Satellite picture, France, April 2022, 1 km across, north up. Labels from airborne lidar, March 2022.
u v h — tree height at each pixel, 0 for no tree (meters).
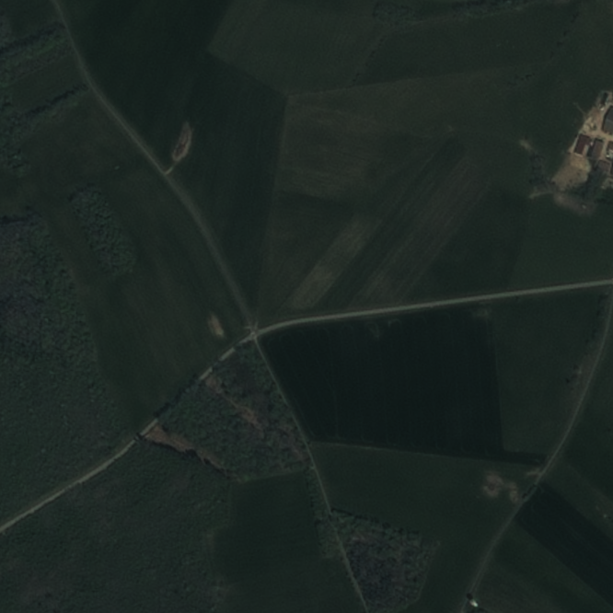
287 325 0
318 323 0
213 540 0
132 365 0
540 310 0
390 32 0
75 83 0
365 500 0
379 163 0
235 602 0
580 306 0
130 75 0
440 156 0
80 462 13
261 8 0
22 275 17
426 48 0
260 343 0
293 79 0
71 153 0
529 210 0
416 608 0
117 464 9
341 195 0
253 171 0
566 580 0
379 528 17
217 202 0
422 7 0
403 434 0
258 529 0
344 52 0
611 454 0
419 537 24
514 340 0
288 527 0
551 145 0
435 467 0
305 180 0
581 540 0
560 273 0
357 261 0
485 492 0
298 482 0
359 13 0
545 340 0
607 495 0
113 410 17
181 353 0
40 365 18
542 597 0
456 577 0
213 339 0
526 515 0
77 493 13
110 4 0
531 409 0
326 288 0
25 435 11
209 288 0
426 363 0
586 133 0
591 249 0
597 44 0
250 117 0
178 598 12
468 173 0
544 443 0
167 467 10
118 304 0
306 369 0
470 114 0
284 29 0
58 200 0
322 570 0
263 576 0
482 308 0
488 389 0
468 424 0
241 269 0
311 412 0
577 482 0
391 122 0
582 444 0
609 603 0
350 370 0
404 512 0
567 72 0
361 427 0
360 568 16
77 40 0
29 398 14
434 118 0
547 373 0
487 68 0
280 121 0
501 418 0
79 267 0
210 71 0
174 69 0
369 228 0
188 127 0
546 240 0
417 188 0
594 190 21
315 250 0
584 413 0
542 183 14
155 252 0
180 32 0
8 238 22
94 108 0
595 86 0
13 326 21
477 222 0
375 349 0
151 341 0
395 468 0
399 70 0
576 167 0
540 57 0
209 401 25
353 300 0
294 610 0
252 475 23
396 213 0
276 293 0
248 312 0
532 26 0
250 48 0
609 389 0
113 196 0
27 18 0
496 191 0
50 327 23
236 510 0
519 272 0
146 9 0
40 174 0
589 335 0
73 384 11
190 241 0
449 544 0
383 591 19
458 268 0
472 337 0
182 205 0
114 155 0
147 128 0
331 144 0
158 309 0
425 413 0
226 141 0
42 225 16
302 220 0
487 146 0
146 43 0
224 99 0
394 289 0
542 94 0
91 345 16
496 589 0
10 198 0
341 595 0
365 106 0
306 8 0
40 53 15
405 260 0
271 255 0
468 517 0
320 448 0
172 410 19
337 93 0
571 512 0
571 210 0
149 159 0
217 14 0
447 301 0
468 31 0
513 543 0
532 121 0
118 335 0
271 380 20
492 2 0
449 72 0
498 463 0
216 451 23
